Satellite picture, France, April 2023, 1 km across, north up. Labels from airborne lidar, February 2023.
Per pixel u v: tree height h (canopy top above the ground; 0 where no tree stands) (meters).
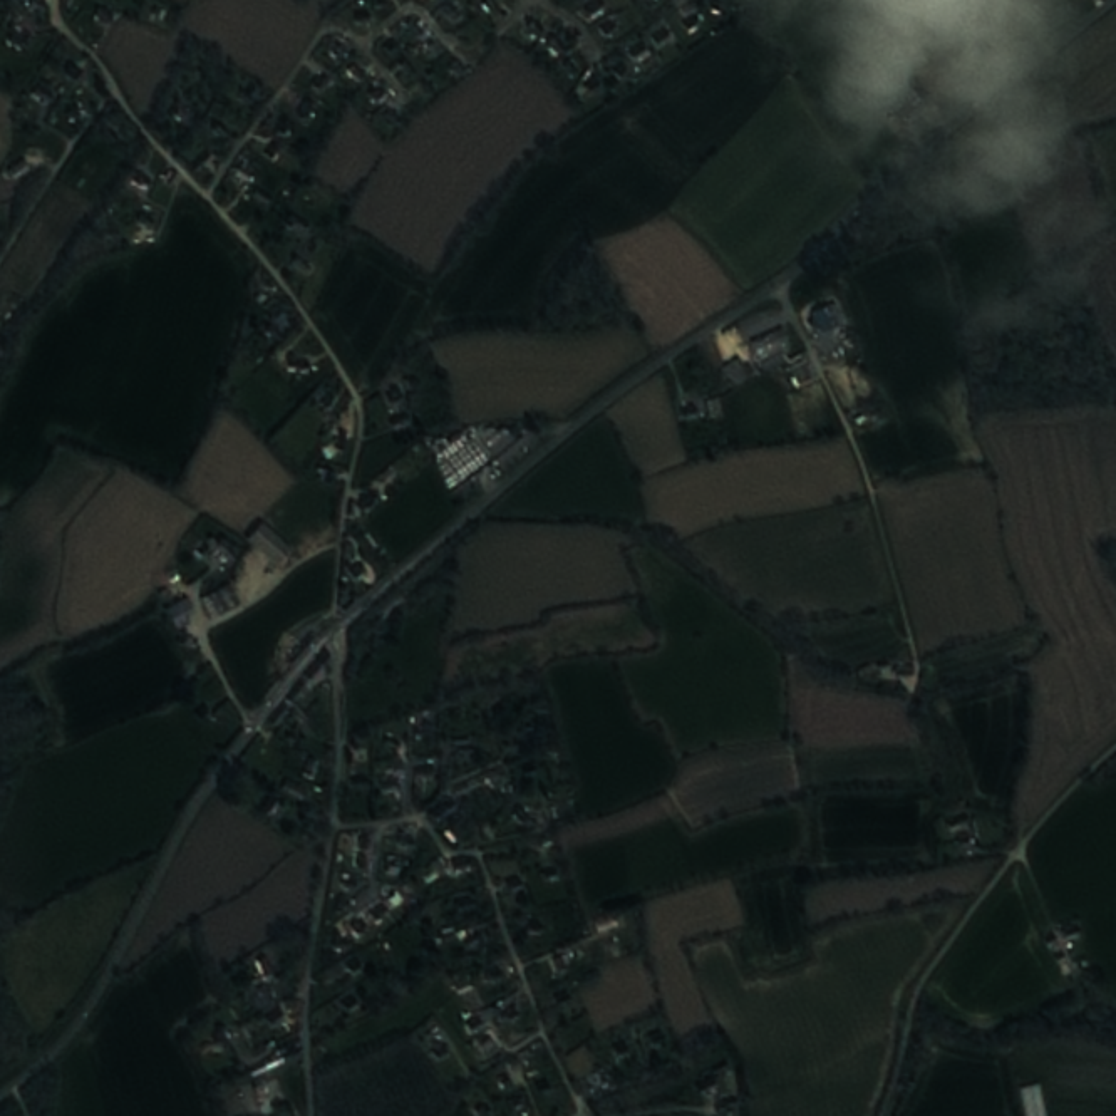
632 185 0
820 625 13
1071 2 0
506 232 0
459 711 8
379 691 0
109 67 0
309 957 17
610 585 0
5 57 0
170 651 0
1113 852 0
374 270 0
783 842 0
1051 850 0
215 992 15
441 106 0
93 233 12
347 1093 19
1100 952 0
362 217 0
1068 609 0
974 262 0
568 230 0
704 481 0
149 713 7
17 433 0
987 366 13
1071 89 0
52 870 0
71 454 10
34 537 0
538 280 0
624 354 0
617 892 0
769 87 0
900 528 0
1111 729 0
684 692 0
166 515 0
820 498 0
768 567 0
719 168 0
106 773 0
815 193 0
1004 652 0
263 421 0
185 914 0
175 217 0
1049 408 22
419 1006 0
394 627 13
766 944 0
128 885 0
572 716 0
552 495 0
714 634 0
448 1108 16
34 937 0
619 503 0
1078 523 0
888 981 0
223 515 0
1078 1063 0
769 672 0
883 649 0
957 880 0
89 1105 0
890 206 8
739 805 0
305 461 8
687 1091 0
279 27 0
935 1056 0
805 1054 0
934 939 0
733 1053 12
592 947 0
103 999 0
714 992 0
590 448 0
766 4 0
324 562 0
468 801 7
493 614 0
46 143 0
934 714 9
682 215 0
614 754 0
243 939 0
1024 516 0
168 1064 0
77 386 0
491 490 0
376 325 0
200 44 10
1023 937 0
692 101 0
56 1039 0
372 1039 0
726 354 0
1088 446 0
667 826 0
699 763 0
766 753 0
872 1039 0
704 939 7
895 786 11
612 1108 13
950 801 0
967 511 0
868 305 0
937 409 0
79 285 0
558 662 5
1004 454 0
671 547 19
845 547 0
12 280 0
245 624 0
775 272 0
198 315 0
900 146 0
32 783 0
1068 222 0
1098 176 10
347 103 14
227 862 0
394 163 0
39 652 6
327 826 13
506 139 0
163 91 10
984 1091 0
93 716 0
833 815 0
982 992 0
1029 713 12
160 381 0
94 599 0
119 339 0
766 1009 0
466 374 0
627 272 0
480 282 0
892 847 0
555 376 0
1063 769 0
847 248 6
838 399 0
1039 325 23
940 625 0
